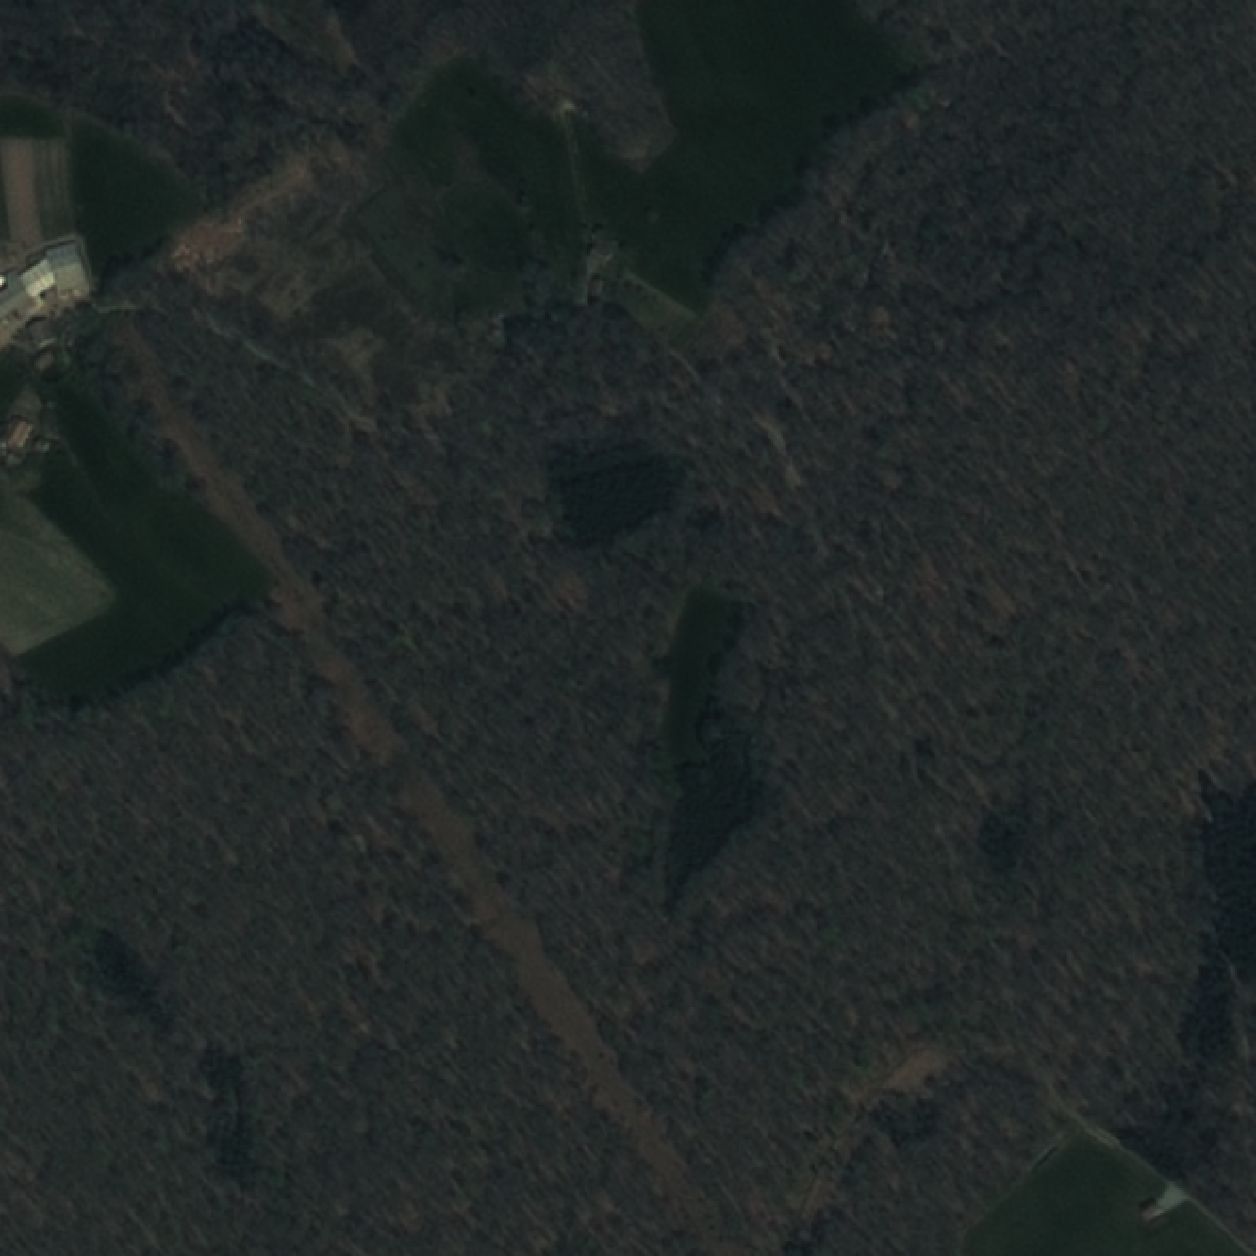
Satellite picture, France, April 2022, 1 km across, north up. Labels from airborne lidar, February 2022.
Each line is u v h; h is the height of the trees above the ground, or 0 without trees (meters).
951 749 27
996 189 29
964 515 25
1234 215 7
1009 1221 0
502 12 24
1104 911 28
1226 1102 29
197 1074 26
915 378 29
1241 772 28
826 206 27
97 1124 27
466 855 0
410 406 0
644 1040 23
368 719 0
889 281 30
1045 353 30
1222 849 28
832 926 27
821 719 28
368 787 27
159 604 0
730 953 29
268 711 28
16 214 0
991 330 28
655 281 0
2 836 29
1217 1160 26
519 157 0
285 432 26
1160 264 25
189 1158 27
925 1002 23
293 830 29
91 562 0
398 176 0
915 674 25
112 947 20
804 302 26
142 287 26
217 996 23
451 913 30
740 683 28
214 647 22
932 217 29
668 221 0
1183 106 27
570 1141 26
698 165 0
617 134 25
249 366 24
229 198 12
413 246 0
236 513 0
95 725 27
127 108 10
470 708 29
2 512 0
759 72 0
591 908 27
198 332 29
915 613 26
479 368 0
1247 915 27
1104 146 27
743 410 25
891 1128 17
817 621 28
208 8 28
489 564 27
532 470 30
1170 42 30
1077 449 28
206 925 24
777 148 0
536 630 25
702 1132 25
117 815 27
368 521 28
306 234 0
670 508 15
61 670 0
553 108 24
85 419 0
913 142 30
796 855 26
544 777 29
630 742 31
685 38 0
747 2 0
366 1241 28
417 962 26
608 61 30
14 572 0
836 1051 26
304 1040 23
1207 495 25
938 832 26
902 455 27
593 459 32
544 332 17
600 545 16
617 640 28
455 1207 27
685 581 31
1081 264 24
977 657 27
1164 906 26
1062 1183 0
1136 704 27
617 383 21
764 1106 28
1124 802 26
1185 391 31
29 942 28
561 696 29
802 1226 18
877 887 25
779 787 27
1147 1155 24
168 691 26
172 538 0
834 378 25
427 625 31
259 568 0
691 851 9
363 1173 28
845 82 0
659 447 25
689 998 30
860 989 25
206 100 11
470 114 0
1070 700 26
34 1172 26
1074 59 29
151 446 25
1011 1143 30
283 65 34
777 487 29
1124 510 23
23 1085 27
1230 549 25
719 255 0
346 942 29
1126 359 33
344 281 0
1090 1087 31
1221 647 25
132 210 0
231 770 28
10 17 9
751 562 27
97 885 21
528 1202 28
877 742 29
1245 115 23
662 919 28
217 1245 25
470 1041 25
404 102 17
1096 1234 0
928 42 24
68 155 0
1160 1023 30
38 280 0
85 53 13
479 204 0
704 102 0
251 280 0
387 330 0
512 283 0
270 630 29
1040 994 28
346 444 26
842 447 28
